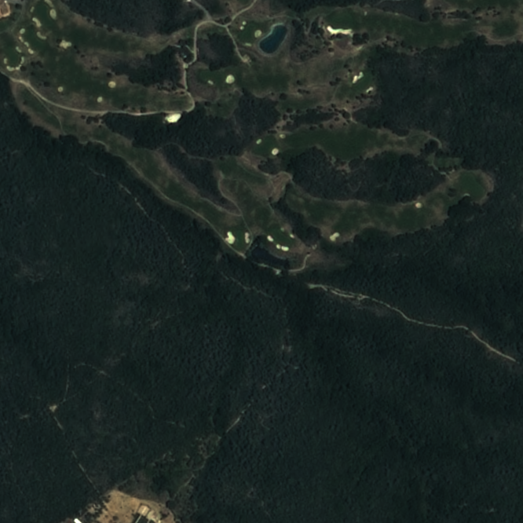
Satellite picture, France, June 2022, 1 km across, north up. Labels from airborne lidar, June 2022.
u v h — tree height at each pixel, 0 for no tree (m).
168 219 10
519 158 9
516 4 0
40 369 10
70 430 8
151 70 8
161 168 0
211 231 14
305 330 23
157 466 11
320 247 0
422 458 18
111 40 0
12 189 17
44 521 7
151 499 0
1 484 8
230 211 0
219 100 0
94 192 13
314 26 6
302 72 0
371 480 10
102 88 0
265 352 12
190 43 6
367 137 0
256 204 0
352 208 0
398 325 7
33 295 7
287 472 9
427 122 8
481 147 8
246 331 6
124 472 7
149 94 0
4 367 6
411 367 13
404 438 11
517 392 13
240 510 10
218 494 7
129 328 12
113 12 7
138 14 6
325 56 0
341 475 9
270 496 5
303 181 7
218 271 6
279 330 6
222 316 10
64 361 7
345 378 13
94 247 6
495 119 9
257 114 6
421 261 12
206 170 6
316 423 8
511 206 6
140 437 13
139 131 12
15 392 8
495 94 14
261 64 0
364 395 8
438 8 6
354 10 0
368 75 0
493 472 12
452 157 7
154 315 7
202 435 11
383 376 8
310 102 0
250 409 10
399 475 7
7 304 7
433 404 13
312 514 9
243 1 0
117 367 6
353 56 0
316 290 6
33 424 7
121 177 12
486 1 0
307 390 8
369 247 9
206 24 0
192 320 8
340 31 0
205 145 13
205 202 0
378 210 0
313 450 7
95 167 6
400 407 12
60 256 8
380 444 10
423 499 17
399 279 7
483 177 0
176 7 6
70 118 0
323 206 0
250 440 12
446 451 15
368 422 6
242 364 10
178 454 11
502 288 10
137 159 0
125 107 7
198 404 10
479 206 7
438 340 7
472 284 15
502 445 10
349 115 8
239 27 0
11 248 7
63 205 8
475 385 12
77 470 7
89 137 0
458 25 0
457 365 6
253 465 18
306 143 0
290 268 12
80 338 9
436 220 0
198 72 0
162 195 0
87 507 7
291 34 0
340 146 0
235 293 5
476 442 9
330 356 15
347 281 8
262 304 11
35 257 6
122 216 10
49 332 9
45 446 7
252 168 0
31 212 6
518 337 17
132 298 11
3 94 11
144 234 11
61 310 11
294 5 9
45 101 0
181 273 8
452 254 7
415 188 6
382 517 7
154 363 15
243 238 0
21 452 6
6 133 10
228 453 11
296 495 8
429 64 6
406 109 7
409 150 0
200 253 13
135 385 8
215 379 16
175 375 7
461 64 9
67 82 0
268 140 0
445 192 0
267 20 0
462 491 7
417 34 0
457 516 10
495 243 9
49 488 6
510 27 0
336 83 7
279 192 0
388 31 0
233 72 0
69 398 8
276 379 14
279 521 7
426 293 7
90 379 9
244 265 17
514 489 8
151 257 12
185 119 15
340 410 10
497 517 9
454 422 7
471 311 12
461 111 9
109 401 6
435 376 13
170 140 7
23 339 7
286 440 14
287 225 0
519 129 10
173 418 8
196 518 7
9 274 10
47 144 12
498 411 13
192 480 7
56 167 12
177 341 9
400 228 0
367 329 10
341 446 11
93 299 7
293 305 14
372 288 8
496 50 9
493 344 8
